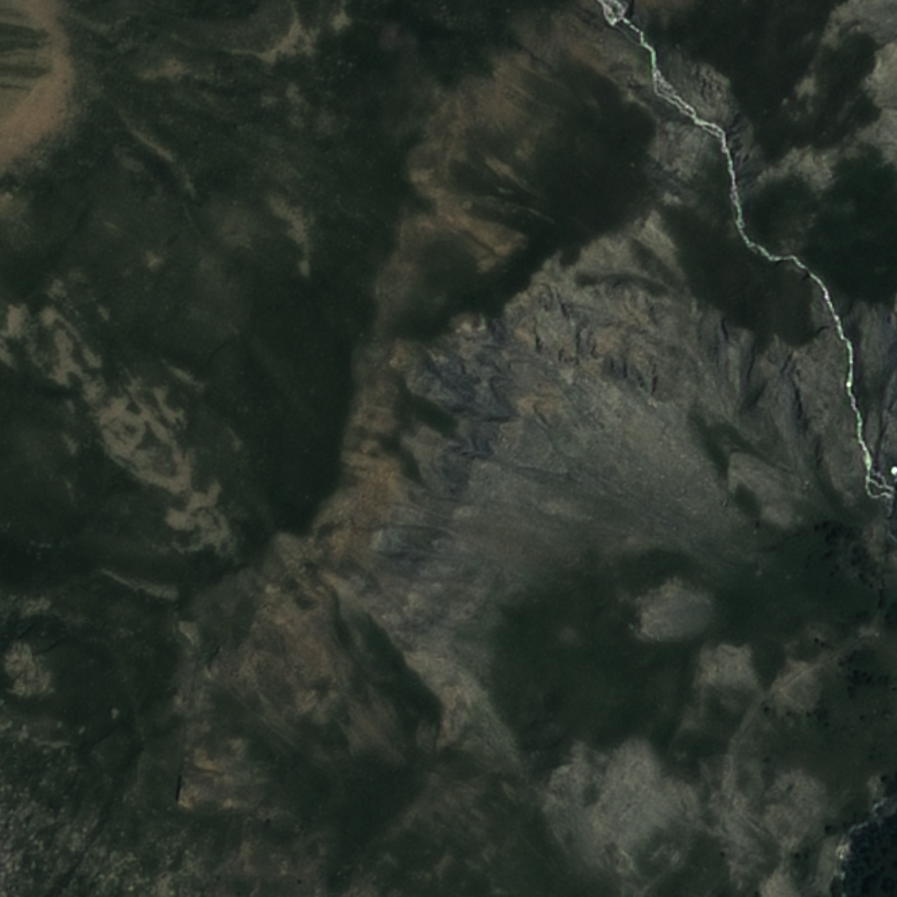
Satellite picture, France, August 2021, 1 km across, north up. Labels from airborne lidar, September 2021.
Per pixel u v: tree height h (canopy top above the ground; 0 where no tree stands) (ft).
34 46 0
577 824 0
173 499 0
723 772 0
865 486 0
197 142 0
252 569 0
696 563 0
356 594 0
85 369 0
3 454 0
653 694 0
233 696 0
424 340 0
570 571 0
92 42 0
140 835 0
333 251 0
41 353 0
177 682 0
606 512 0
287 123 0
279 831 0
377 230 0
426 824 0
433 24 0
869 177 0
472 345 0
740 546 0
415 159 0
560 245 0
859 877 56
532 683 0
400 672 0
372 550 0
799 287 0
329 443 0
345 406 0
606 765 0
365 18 0
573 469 0
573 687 0
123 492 0
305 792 0
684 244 0
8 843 0
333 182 0
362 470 0
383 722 0
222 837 0
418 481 0
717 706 0
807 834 0
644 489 0
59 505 0
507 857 0
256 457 0
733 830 0
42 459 0
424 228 0
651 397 0
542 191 0
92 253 0
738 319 0
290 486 0
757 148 0
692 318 0
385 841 0
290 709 0
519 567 0
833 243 0
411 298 0
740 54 0
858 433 0
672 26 0
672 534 0
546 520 0
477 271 0
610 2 0
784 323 0
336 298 0
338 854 0
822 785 0
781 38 0
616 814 0
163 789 0
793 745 0
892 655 0
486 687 0
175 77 0
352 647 0
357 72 0
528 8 0
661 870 0
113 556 0
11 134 0
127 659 0
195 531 0
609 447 0
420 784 0
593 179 0
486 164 0
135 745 0
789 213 0
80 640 0
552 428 0
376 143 0
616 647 0
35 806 0
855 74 0
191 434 0
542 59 0
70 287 0
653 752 0
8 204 0
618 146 0
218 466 0
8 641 0
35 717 0
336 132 0
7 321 0
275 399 0
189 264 0
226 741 0
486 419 0
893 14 0
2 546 0
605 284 0
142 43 0
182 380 0
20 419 0
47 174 0
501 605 0
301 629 0
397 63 0
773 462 0
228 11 0
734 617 0
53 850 0
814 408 0
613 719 0
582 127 0
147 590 0
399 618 0
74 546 0
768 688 0
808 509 0
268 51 0
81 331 0
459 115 0
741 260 0
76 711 0
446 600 0
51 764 0
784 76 0
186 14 0
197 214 0
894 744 0
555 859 0
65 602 0
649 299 0
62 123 0
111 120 0
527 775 0
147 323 0
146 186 0
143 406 0
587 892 0
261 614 0
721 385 0
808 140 0
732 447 0
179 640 0
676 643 0
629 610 0
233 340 0
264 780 0
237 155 0
